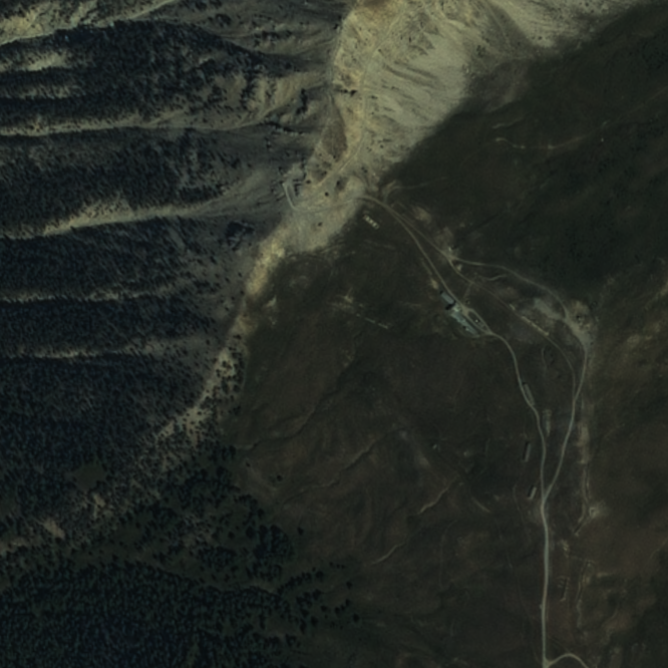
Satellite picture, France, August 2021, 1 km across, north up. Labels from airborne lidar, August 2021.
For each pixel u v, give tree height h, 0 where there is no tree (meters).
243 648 16
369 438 0
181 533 12
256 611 20
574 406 0
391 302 0
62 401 6
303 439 0
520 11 0
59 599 22
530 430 0
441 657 0
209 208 0
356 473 0
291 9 0
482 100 0
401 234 0
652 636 0
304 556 0
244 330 0
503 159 0
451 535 0
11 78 11
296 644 11
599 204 0
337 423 0
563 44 0
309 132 0
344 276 0
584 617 0
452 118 0
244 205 0
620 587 0
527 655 0
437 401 0
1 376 11
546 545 0
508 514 0
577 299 0
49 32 0
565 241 0
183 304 8
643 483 0
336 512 0
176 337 11
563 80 0
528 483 0
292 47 0
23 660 21
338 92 0
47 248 6
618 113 0
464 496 0
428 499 0
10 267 15
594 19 0
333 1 0
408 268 0
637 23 0
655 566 0
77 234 10
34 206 10
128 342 6
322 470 0
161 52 8
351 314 0
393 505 0
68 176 12
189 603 20
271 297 0
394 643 0
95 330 8
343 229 0
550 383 0
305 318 0
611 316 0
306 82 0
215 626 7
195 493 18
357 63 0
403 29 0
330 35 0
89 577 18
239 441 0
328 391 0
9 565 13
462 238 0
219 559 16
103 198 11
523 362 0
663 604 0
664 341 0
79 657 8
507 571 0
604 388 0
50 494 14
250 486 0
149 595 21
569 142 0
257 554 0
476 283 0
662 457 0
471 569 0
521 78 0
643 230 0
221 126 0
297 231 0
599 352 0
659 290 0
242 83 0
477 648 0
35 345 11
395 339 0
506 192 0
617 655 0
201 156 7
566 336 0
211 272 0
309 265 0
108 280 11
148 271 10
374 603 0
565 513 0
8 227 12
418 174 0
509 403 0
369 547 0
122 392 8
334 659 0
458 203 0
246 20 0
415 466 0
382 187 0
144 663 13
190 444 9
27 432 15
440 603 0
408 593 0
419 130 0
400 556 0
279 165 0
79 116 10
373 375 0
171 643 11
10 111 6
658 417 0
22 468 19
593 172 0
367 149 0
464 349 0
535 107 0
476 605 0
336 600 0
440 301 0
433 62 0
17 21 0
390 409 0
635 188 0
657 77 0
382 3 0
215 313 0
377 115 0
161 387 9
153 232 7
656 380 0
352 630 0
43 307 9
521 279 0
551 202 0
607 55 0
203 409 8
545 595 0
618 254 0
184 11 0
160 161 10
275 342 0
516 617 0
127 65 9
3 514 0
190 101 7
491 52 0
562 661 0
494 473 0
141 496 15
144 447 10
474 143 0
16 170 9
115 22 0
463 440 0
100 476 0
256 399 0
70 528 10
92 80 7
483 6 0
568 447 0
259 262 0
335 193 0
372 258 0
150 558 0
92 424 7
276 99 0
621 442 0
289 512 0
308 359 0
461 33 0
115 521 9
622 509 0
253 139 0
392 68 0
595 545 0
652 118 0
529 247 0
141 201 9
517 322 0
